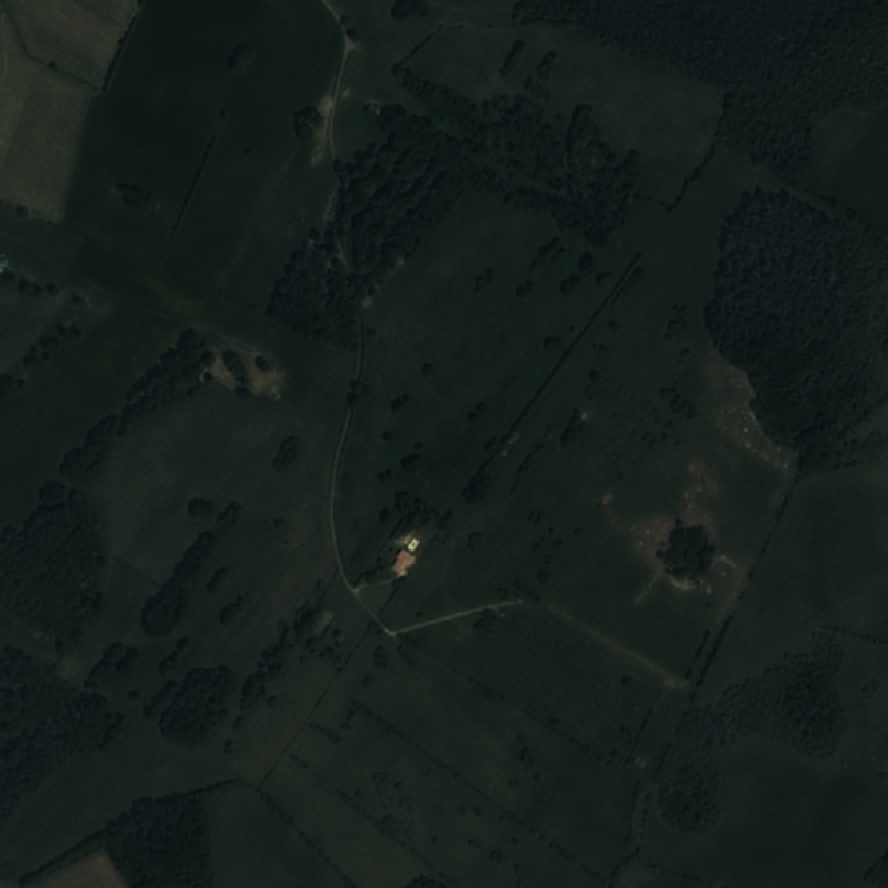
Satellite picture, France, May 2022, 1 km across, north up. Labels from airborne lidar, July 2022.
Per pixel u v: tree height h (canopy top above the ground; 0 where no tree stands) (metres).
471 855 0
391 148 11
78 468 15
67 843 0
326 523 0
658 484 0
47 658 0
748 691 6
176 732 17
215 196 0
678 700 0
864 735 0
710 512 0
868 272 6
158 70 0
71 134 0
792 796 0
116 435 8
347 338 15
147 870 16
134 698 11
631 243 0
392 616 0
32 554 18
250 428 0
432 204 18
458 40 0
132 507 0
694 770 7
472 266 0
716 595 0
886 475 0
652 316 0
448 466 0
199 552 12
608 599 0
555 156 20
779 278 24
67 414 0
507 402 0
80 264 0
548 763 0
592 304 0
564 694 0
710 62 10
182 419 0
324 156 0
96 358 0
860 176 0
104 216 0
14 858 0
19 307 0
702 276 0
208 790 6
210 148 7
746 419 0
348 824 0
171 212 0
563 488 0
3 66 0
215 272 0
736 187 0
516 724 0
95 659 0
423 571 0
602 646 0
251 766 0
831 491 0
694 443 0
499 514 0
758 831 0
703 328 0
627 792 0
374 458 0
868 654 0
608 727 0
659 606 0
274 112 0
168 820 18
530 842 0
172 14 0
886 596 0
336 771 0
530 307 0
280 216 0
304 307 18
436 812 0
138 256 0
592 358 0
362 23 0
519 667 0
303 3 0
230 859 0
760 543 0
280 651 14
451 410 0
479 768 0
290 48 0
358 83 0
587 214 19
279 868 0
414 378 0
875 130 0
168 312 0
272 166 0
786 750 0
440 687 0
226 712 9
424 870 0
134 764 0
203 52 0
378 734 0
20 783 20
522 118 16
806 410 20
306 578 0
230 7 0
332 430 0
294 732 0
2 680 20
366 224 15
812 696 16
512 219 0
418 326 0
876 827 0
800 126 8
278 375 0
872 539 0
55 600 18
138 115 0
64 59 0
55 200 0
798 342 18
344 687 0
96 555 9
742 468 0
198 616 0
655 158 0
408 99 0
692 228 0
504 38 0
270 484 0
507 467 0
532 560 0
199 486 0
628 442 0
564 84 0
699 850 0
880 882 5
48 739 20
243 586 0
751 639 0
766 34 12
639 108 0
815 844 0
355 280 14
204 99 0
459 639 0
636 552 0
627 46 9
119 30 0
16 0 0
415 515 10
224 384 0
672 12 12
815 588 0
